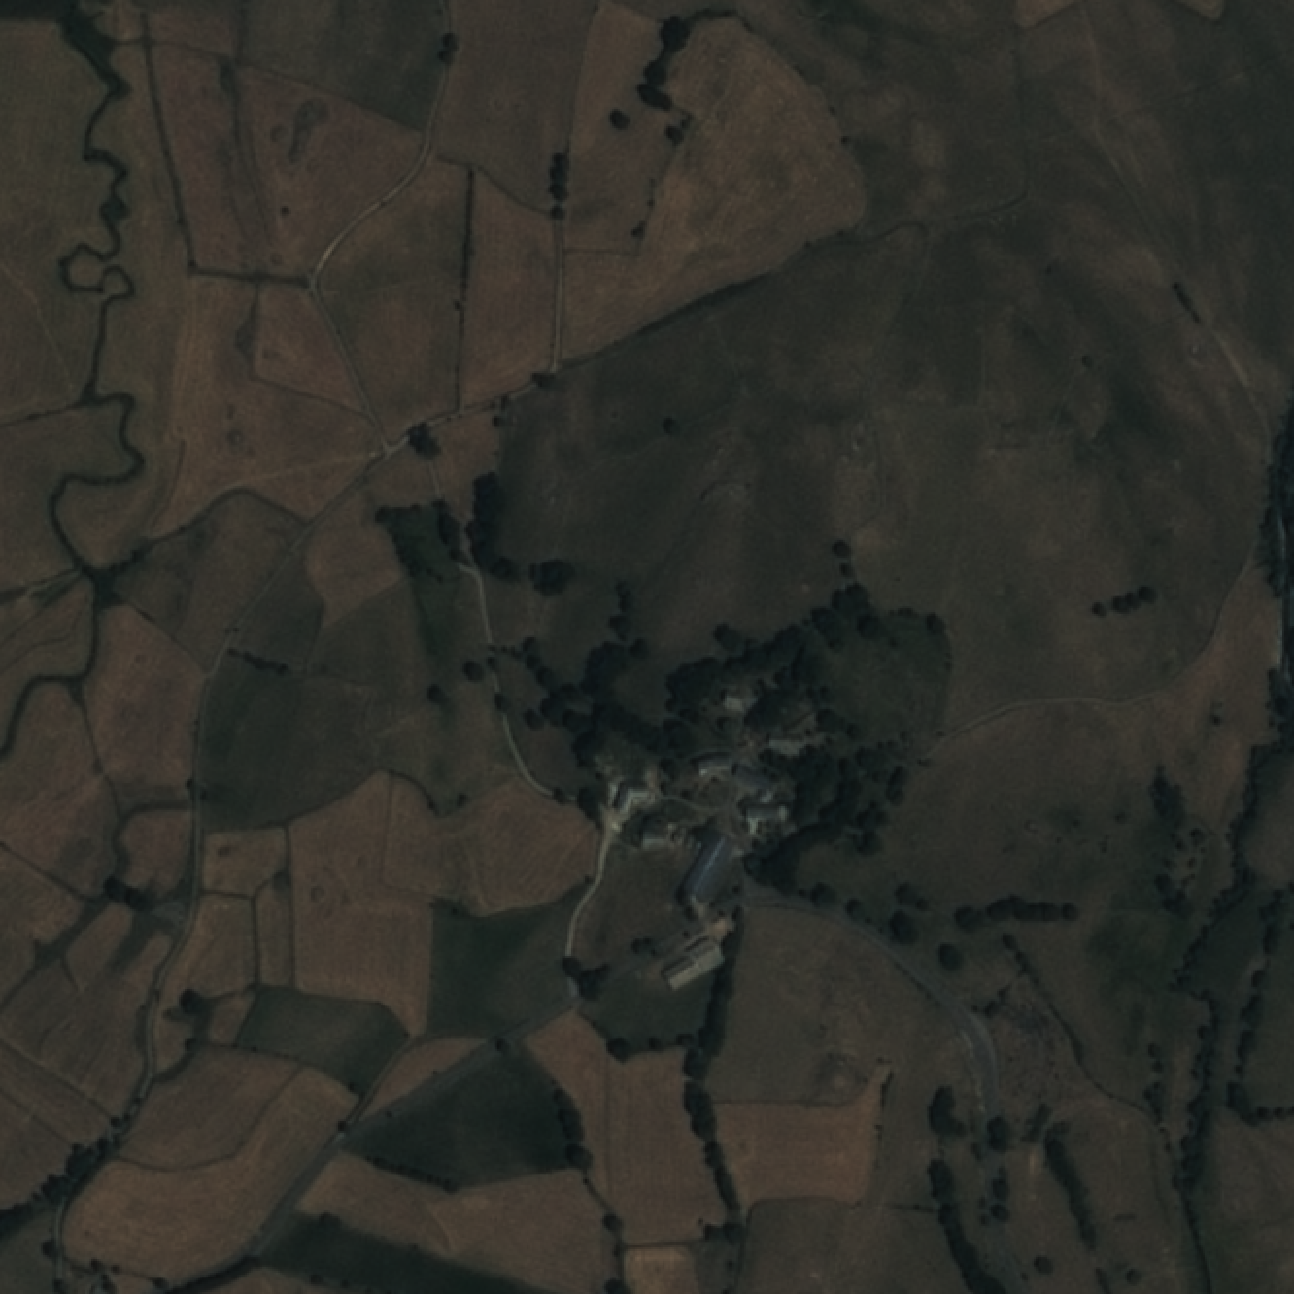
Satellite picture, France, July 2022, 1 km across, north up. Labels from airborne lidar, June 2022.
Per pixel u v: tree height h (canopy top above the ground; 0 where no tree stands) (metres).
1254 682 0
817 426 0
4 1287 0
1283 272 0
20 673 0
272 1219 0
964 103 0
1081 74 0
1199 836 12
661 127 0
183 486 0
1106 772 0
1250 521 0
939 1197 15
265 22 0
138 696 0
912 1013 0
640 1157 0
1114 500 0
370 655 0
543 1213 0
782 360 0
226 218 0
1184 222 0
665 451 0
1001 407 0
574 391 0
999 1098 0
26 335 0
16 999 0
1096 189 0
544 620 0
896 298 0
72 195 0
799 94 0
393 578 0
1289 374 0
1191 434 0
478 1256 0
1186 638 0
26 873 0
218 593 0
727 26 0
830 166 0
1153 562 0
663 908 0
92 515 0
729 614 0
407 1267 0
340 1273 0
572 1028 0
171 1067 0
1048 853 0
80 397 0
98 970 0
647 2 0
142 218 0
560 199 13
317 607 0
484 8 0
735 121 0
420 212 0
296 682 0
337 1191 0
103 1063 0
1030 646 0
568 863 0
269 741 0
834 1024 0
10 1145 0
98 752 0
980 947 0
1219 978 0
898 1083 0
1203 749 0
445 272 0
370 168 0
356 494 0
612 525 0
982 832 0
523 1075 0
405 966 0
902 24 0
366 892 0
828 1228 0
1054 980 0
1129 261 0
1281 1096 0
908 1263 0
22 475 0
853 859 0
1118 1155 0
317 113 0
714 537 0
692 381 0
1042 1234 0
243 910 0
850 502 0
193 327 0
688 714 11
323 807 0
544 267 0
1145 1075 0
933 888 0
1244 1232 0
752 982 0
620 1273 0
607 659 24
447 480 0
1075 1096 0
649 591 0
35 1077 0
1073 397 0
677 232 0
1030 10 0
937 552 0
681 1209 0
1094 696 0
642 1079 0
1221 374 0
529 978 0
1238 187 0
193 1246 0
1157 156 0
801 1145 0
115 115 0
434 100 0
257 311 0
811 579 0
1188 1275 0
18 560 0
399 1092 0
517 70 0
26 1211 12
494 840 0
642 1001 0
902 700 0
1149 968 0
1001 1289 19
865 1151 0
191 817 0
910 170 0
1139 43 0
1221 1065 0
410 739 0
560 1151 0
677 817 0
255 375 0
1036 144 0
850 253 0
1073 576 0
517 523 0
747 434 0
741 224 0
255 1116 0
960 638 0
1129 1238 0
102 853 0
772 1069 0
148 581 0
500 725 0
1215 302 0
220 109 0
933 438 0
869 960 0
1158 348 0
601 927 0
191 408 0
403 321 0
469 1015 0
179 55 0
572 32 0
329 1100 0
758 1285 0
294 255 0
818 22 0
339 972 0
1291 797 0
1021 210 0
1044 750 0
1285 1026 0
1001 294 0
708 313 0
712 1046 15
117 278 0
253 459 0
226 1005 0
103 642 0
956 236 0
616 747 0
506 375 0
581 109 0
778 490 0
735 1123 0
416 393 0
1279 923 14
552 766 0
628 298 0
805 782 16
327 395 0
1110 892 0
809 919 0
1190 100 0
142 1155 0
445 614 0
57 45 0
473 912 0
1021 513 0
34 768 0
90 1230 0
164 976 0
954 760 0
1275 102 0
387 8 0
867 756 16
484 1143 0
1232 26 0
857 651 0
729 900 0
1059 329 0
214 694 0
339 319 0
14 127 0
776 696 20
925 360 0
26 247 0
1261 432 0
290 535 0
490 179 0
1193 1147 9
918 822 0
